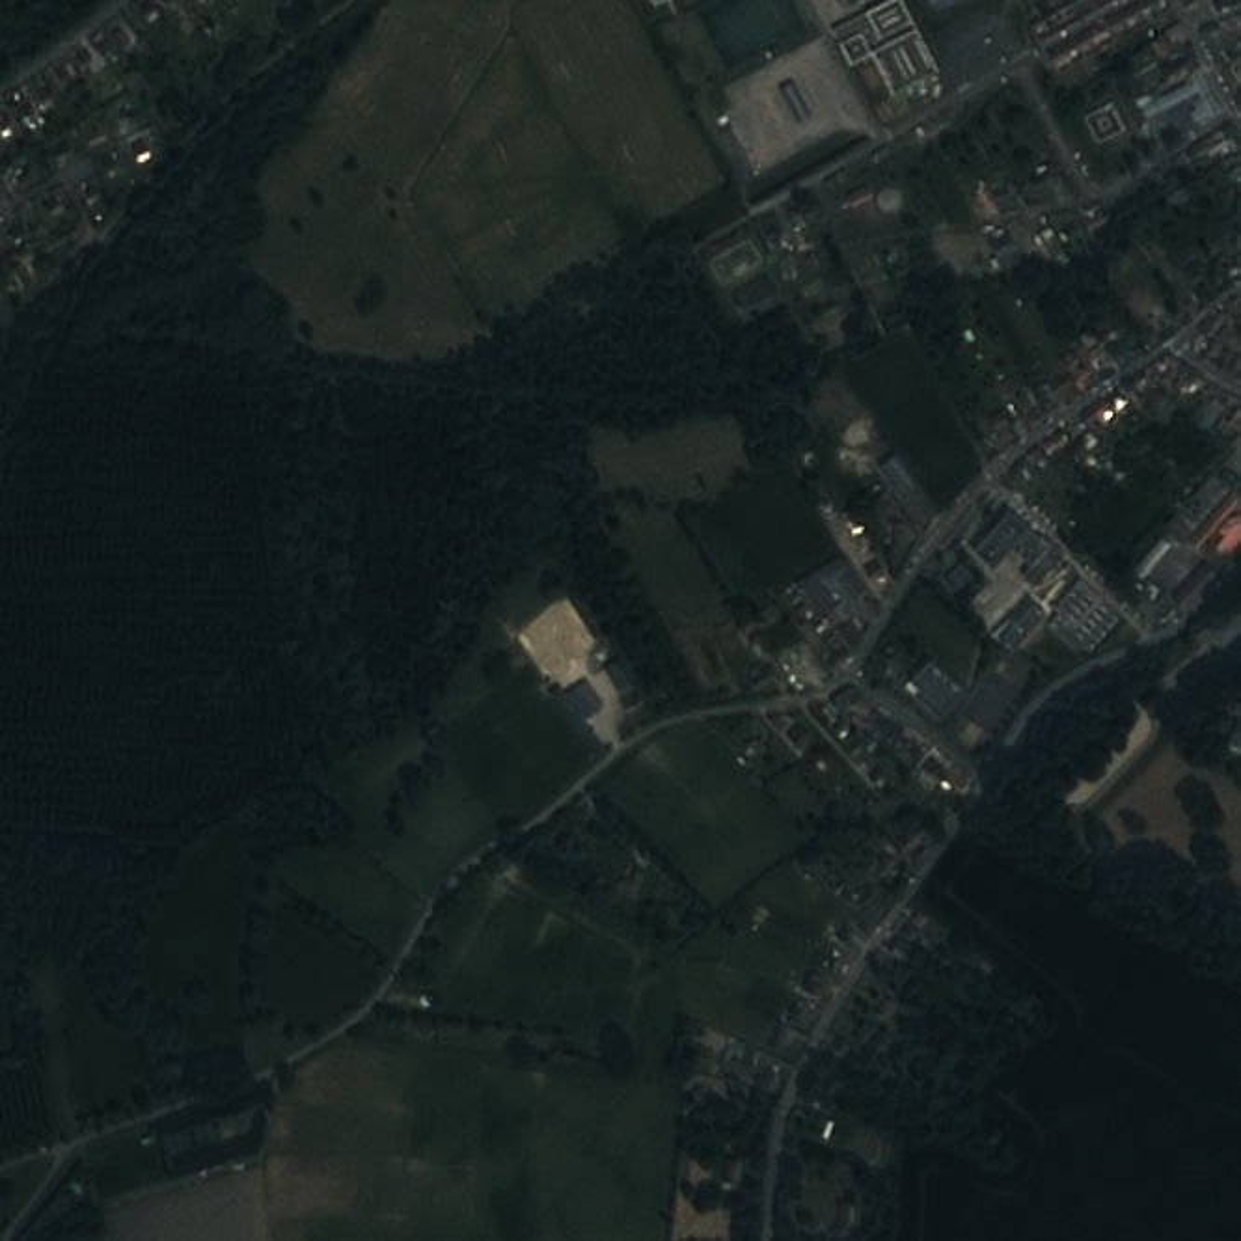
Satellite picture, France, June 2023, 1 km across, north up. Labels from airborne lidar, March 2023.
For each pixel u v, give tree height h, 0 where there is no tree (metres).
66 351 17
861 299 14
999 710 0
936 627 0
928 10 0
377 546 19
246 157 11
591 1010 0
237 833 6
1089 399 0
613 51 0
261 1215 0
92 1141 0
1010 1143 22
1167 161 0
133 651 10
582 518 24
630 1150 0
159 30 0
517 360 21
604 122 0
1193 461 0
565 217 0
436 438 10
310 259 0
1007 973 13
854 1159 0
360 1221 0
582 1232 0
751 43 0
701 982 0
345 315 0
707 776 0
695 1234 0
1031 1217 0
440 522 12
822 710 0
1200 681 25
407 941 0
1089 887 30
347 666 21
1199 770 0
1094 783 0
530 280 0
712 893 0
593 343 10
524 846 12
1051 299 28
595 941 0
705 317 19
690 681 8
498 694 0
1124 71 15
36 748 8
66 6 10
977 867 0
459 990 0
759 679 0
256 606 16
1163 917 30
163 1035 28
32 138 12
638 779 0
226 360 14
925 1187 0
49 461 6
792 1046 0
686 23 0
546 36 0
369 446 16
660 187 0
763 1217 15
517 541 30
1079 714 23
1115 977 0
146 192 11
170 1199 0
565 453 21
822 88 0
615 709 0
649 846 16
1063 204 0
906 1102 21
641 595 7
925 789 0
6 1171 0
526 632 0
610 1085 0
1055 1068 0
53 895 25
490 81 0
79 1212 10
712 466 0
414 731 0
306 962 0
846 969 0
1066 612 0
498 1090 0
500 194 0
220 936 0
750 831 0
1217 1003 0
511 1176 0
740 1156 9
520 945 0
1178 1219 0
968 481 0
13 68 16
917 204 0
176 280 18
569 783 0
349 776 0
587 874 6
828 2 0
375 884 0
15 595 8
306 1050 0
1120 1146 0
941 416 0
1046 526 0
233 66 17
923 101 0
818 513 0
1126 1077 0
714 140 0
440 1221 0
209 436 8
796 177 7
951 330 6
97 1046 0
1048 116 0
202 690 8
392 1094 0
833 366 6
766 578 0
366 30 12
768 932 0
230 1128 0
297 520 20
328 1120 0
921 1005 9
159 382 15
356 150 0
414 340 0
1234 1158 0
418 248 0
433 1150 0
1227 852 17
